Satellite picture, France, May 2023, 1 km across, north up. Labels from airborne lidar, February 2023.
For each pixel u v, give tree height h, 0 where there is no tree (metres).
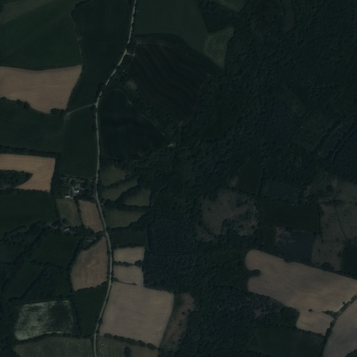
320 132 0
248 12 7
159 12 0
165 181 14
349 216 0
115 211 0
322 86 9
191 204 10
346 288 0
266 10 0
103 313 0
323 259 0
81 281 0
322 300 0
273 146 16
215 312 15
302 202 11
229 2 0
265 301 13
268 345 0
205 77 0
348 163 19
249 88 14
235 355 17
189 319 10
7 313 18
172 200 6
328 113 17
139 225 12
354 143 18
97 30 0
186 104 0
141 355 0
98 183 9
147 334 0
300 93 18
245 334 16
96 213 0
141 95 6
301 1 9
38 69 0
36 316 0
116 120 0
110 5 0
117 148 0
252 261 0
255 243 16
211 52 0
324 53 19
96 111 15
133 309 0
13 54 0
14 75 0
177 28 0
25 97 0
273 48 17
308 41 18
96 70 0
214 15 16
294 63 9
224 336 15
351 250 0
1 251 0
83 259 0
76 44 0
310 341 0
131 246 10
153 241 28
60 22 0
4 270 16
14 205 0
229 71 9
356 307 0
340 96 14
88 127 0
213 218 0
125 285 0
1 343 11
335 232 0
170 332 0
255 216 11
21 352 0
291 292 0
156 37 6
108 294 0
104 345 0
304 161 9
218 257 0
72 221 0
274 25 8
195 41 0
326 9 21
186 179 8
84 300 0
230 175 12
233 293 17
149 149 0
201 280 17
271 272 0
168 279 28
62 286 0
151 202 12
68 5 0
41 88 0
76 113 0
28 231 24
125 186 0
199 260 15
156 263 19
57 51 0
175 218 25
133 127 0
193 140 7
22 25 0
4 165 0
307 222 0
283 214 0
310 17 11
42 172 0
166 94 0
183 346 15
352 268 0
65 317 0
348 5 20
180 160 9
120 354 0
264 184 12
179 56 0
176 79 0
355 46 15
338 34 23
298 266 0
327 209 0
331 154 19
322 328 0
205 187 18
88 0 9
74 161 0
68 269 12
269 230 0
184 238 28
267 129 20
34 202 0
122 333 0
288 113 26
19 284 0
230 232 13
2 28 0
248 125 16
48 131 0
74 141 0
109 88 0
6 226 0
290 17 0
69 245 0
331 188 11
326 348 0
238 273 9
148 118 0
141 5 0
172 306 0
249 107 18
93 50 0
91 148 0
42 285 17
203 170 12
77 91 0
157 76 0
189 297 0
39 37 0
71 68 0
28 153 10
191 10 0
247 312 6
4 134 0
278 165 16
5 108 0
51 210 0
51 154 11
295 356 0
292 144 14
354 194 0
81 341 0
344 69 15
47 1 0
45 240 0
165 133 0
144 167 10
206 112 14
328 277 0
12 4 0
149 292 0
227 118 0
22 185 0
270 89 20
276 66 19
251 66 15
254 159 15
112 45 0
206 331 11
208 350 15
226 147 20
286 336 0
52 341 0
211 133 0
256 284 0
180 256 30
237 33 10
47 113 0
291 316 10
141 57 0
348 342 0
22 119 0
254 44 15
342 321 0
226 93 17
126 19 0
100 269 0
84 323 0
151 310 0
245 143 14
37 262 13
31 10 0
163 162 7
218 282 9
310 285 0
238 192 10
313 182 8
